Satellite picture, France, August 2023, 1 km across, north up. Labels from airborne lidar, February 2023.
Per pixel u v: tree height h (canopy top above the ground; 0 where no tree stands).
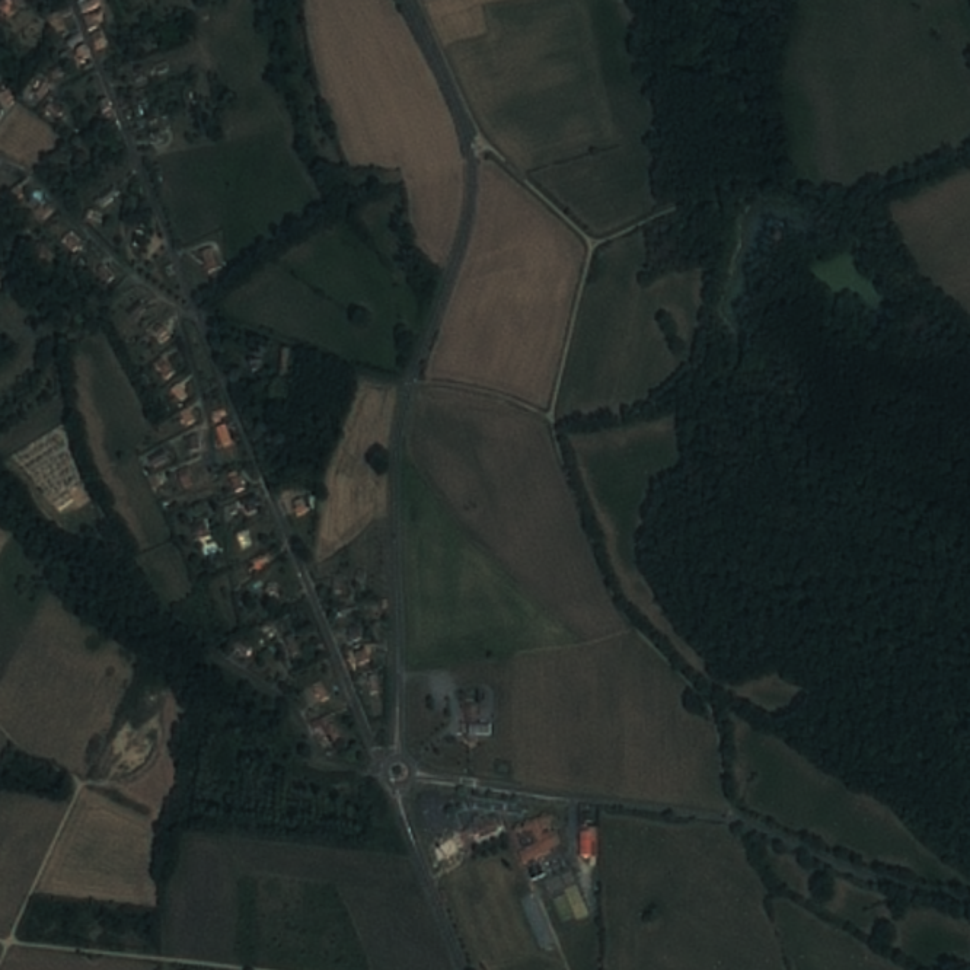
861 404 24
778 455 17
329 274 0
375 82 0
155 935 9
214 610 7
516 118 0
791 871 0
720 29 32
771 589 19
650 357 0
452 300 0
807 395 13
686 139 23
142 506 0
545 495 0
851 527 22
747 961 0
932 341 11
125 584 19
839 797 0
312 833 7
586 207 0
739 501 14
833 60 0
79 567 23
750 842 9
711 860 0
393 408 0
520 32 0
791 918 0
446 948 0
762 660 20
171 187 0
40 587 6
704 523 19
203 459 0
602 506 0
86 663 0
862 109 0
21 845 0
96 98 7
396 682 0
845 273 0
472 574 0
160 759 0
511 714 0
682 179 13
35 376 9
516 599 0
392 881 0
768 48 24
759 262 15
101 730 0
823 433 18
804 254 24
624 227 0
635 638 0
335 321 0
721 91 31
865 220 20
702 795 0
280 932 0
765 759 0
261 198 0
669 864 0
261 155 0
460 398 0
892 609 23
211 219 0
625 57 0
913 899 12
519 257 0
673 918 0
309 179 0
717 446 17
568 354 0
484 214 0
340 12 0
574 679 0
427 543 0
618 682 0
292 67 16
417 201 0
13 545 0
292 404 11
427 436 0
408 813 0
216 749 12
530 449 0
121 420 0
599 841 0
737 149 27
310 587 0
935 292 15
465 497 0
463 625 0
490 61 0
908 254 21
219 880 0
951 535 23
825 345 13
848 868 0
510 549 0
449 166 0
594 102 0
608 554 12
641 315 0
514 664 0
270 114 0
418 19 0
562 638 0
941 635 20
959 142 0
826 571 21
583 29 0
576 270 0
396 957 0
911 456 20
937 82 0
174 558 0
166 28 8
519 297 0
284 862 0
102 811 0
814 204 26
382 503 0
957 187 0
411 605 0
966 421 17
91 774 0
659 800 0
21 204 15
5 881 0
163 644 27
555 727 0
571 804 0
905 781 18
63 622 0
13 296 17
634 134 0
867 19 0
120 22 8
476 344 0
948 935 0
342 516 0
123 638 18
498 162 0
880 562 22
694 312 0
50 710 0
